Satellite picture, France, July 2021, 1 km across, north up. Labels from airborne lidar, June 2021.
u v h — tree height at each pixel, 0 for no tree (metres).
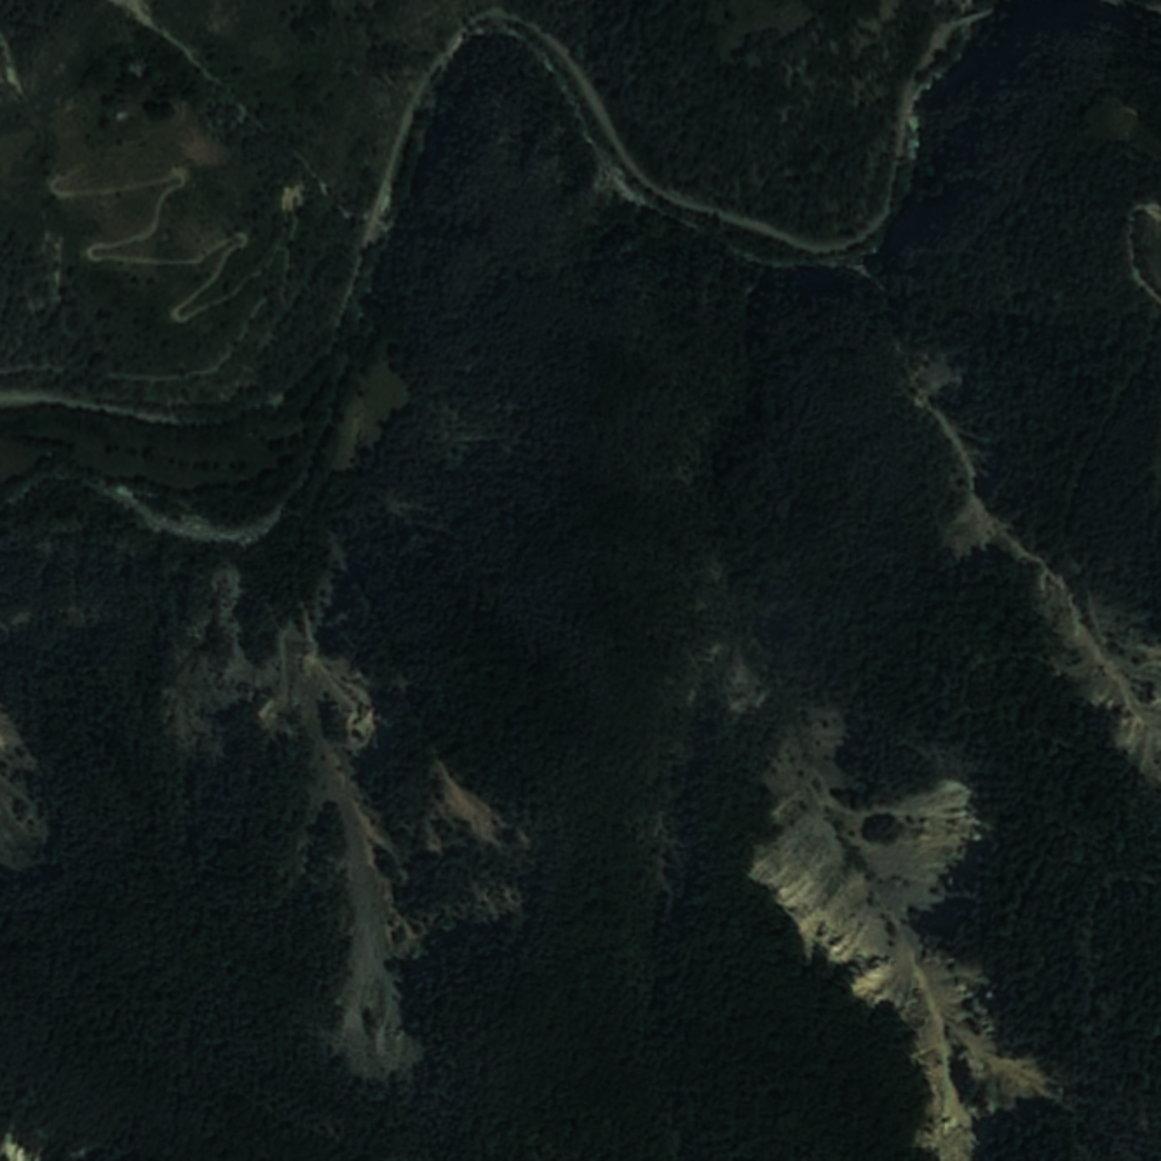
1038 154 11
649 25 15
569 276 21
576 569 12
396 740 18
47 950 13
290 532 15
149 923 14
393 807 11
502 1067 14
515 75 23
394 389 0
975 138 9
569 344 14
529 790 15
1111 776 20
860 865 5
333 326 10
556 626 15
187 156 0
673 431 18
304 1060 17
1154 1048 9
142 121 0
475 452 7
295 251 17
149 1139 17
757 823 20
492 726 19
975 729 7
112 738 21
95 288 9
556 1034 21
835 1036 24
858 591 18
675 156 20
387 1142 17
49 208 11
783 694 7
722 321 18
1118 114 0
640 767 20
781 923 19
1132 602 13
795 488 24
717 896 15
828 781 0
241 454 0
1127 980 11
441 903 8
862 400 20
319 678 0
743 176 9
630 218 26
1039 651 14
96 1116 13
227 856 21
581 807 20
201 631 6
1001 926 17
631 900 17
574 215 12
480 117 15
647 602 14
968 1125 0
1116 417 13
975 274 11
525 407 15
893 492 18
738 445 19
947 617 6
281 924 19
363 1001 0
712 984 16
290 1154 16
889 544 18
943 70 12
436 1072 12
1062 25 21
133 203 0
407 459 13
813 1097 20
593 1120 19
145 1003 20
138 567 13
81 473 9
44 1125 14
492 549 14
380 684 11
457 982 18
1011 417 11
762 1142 13
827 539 17
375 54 17
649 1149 16
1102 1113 12
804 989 24
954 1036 0
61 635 14
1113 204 12
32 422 14
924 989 0
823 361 22
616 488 18
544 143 11
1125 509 13
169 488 11
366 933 0
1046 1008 11
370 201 6
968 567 13
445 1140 11
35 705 18
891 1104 24
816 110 15
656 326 22
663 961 13
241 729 12
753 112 11
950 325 12
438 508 9
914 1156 19
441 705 16
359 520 11
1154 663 0
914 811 0
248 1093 17
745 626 10
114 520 16
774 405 15
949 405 12
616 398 16
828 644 17
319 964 15
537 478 11
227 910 22
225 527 9
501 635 24
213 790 14
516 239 20
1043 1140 15
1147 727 0
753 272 13
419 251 12
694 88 10
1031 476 10
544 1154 18
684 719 12
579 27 15
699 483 18
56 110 0
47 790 9
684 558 11
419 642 16
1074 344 15
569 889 15
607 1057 22
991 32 18
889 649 16
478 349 14
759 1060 21
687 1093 16
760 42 12
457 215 16
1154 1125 8
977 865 15
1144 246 10
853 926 0
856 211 11
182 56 13
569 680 20
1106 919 15
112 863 18
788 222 18
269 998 15
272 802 17
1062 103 12
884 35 8
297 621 6
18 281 11
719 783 13
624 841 14
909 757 14
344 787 0
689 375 16
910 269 13
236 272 8
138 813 20
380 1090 10
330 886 7
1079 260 14
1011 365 15
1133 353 10
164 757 17
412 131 7
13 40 6
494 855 6
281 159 10
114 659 17
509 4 13
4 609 6
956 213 15
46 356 6
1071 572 11
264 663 10
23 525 12
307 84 12
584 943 19
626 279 16
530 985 19
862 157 15
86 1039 18
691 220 11
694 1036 21
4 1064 7
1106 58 15
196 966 17
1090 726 20
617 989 19
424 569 23
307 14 13
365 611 9
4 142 0
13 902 18
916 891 0
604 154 8
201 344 9
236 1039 15
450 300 15
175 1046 16
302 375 8
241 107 8
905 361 11
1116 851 21
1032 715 16
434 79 8
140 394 10
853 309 19
